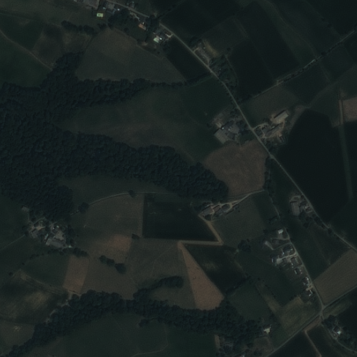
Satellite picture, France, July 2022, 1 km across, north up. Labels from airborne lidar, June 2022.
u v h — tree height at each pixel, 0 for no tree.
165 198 0
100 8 10
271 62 0
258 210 0
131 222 0
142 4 0
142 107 0
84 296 16
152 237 0
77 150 43
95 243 0
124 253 0
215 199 14
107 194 0
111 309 20
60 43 0
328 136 0
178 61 0
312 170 0
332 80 0
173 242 0
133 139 0
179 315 22
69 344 0
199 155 0
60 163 25
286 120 0
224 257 0
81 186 0
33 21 0
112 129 0
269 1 0
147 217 0
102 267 0
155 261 0
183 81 0
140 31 0
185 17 0
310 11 0
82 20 0
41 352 0
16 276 0
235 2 0
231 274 0
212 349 0
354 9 0
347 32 11
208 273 0
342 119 0
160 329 0
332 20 0
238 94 0
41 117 38
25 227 6
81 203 0
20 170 31
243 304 0
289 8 0
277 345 0
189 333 20
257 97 0
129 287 0
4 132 37
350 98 0
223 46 0
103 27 15
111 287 0
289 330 0
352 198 0
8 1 0
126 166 22
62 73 30
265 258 0
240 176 0
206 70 0
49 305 0
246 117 0
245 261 0
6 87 23
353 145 0
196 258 0
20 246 0
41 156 34
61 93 26
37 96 37
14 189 26
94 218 0
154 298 0
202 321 31
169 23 0
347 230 0
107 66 0
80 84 21
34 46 0
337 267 0
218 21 0
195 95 0
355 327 0
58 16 0
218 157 0
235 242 0
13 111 33
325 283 0
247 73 0
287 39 0
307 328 0
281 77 0
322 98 0
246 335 20
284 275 0
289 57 0
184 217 0
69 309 21
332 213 0
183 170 33
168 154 30
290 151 0
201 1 0
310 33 0
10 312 0
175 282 24
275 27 0
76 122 0
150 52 0
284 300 0
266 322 0
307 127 0
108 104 17
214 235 0
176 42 0
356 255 0
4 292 0
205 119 0
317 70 0
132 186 0
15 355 20
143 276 0
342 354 0
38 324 0
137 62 0
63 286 0
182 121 0
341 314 0
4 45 0
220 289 0
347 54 0
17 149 33
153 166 22
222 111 0
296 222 0
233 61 0
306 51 0
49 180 27
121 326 0
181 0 0
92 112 0
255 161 0
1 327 0
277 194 0
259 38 0
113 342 0
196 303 0
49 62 0
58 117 29
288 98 0
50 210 29
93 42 0
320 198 0
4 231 0
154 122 0
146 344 0
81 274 0
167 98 0
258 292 7
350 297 0
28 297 0
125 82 22
